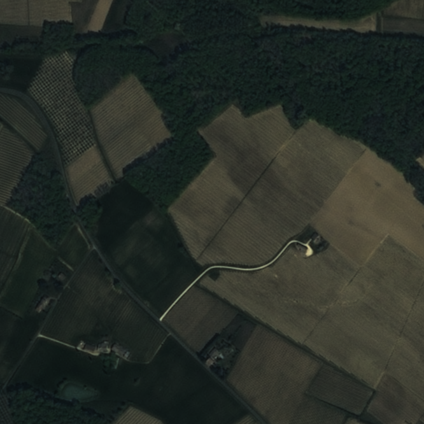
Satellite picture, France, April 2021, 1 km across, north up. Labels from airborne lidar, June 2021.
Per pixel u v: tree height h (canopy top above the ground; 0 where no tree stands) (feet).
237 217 0
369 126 69
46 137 0
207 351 20
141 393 0
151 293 0
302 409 0
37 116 0
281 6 79
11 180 0
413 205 0
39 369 0
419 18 0
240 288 0
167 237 0
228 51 59
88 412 43
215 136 0
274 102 58
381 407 0
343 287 0
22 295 0
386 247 0
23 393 74
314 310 0
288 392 0
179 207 0
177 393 0
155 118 0
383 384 0
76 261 0
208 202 0
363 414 0
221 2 60
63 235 64
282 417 0
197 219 0
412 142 65
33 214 50
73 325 0
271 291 0
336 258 0
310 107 79
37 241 0
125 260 0
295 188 0
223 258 0
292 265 0
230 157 0
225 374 27
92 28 0
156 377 0
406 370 0
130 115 0
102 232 0
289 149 0
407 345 0
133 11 52
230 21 73
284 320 0
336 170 0
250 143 0
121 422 0
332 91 78
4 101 0
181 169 72
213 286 0
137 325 0
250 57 70
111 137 0
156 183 81
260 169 0
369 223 0
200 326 0
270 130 0
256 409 0
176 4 66
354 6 73
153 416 0
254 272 0
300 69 62
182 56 72
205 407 0
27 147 0
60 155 0
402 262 0
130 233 0
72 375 0
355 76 60
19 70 0
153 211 0
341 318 0
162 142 0
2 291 0
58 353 0
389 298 0
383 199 0
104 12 0
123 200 0
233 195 0
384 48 81
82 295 0
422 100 66
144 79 51
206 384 0
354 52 73
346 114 83
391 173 0
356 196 0
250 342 0
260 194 0
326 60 40
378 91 78
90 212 77
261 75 65
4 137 0
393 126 65
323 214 0
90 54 59
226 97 19
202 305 0
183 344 0
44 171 69
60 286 46
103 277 0
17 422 59
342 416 0
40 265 0
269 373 0
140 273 0
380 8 64
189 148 71
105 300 0
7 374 0
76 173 0
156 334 0
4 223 0
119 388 0
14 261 0
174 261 0
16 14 0
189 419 0
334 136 0
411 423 0
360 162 0
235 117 0
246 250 0
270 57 42
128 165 0
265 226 0
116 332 0
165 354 0
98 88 64
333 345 0
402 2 0
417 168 67
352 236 0
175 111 68
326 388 0
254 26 51
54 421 57
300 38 69
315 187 0
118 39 72
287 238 0
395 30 0
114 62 52
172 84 85
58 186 72
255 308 0
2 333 0
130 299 0
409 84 70
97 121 0
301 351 0
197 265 0
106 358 35
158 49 0
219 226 0
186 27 75
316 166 0
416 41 68
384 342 0
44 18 0
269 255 0
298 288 0
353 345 0
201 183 0
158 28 58
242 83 64
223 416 0
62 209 74
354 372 0
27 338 0
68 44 75
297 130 0
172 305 0
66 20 0
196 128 71
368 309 0
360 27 0
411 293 0
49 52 54
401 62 74
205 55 63
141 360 0
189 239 0
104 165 0
